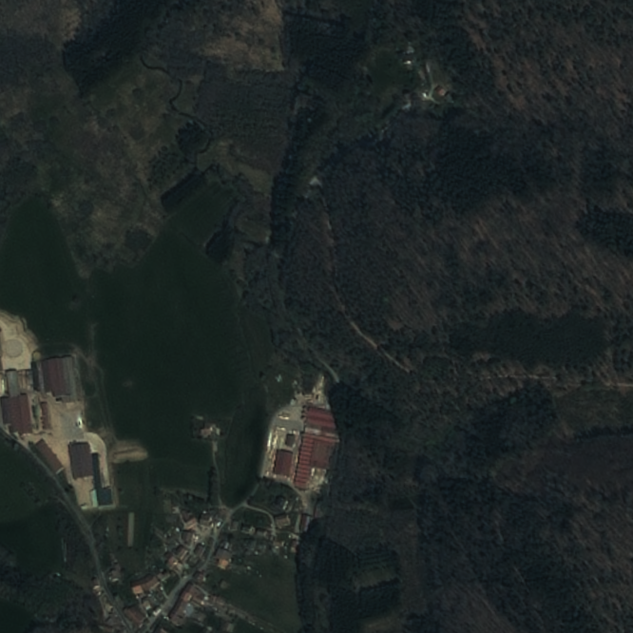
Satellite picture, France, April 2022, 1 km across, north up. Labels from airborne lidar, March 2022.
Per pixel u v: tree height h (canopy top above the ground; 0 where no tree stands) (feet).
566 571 78
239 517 0
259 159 0
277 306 57
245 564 0
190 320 0
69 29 0
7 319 0
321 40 98
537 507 63
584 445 40
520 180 96
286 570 0
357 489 65
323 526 57
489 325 66
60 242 0
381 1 70
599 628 74
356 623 58
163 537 0
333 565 79
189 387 0
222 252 54
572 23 70
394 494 54
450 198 73
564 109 81
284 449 0
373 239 88
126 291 0
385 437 56
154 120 0
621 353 58
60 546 0
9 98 0
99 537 40
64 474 0
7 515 0
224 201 0
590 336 60
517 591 86
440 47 62
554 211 72
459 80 55
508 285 86
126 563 0
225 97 36
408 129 77
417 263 84
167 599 0
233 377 0
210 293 0
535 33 65
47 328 0
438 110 30
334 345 69
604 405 0
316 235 83
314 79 101
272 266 70
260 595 0
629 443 37
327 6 54
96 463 0
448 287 69
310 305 65
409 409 73
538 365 77
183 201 54
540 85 73
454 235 80
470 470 57
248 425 0
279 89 24
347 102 38
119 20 72
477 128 75
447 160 69
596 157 62
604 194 73
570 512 69
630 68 88
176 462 0
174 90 0
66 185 0
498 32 76
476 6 68
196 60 31
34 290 0
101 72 68
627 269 87
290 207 86
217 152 0
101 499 0
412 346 23
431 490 112
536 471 20
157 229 0
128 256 0
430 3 56
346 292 85
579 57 84
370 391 63
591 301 55
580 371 80
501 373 76
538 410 98
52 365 0
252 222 45
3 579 56
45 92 0
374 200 83
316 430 0
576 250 80
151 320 0
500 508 69
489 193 77
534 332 62
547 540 86
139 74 0
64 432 0
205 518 0
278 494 85
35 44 31
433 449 86
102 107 0
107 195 0
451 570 88
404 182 93
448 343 55
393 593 56
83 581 0
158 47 69
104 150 0
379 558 43
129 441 0
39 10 0
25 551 0
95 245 0
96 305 0
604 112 83
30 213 0
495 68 80
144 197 0
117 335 0
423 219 81
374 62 0
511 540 66
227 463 0
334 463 42
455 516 76
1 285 0
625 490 23
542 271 70
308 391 19
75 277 0
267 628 0
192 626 0
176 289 0
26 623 0
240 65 0
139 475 0
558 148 85
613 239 93
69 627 41
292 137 60
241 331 0
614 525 82
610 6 72
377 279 94
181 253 0
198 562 0
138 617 0
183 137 56
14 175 40
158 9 81
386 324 80
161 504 0
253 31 0
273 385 0
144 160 0
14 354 0
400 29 83
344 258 81
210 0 26
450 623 90
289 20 68
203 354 0
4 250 0
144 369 0
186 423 0
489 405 69
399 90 0
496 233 84
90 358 0
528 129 70
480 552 78
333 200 77
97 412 0
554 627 73
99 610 73
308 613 75
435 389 68
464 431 69
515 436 91
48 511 0
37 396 0
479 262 85
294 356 48
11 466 0
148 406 0
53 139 0
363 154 78
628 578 68
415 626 50
